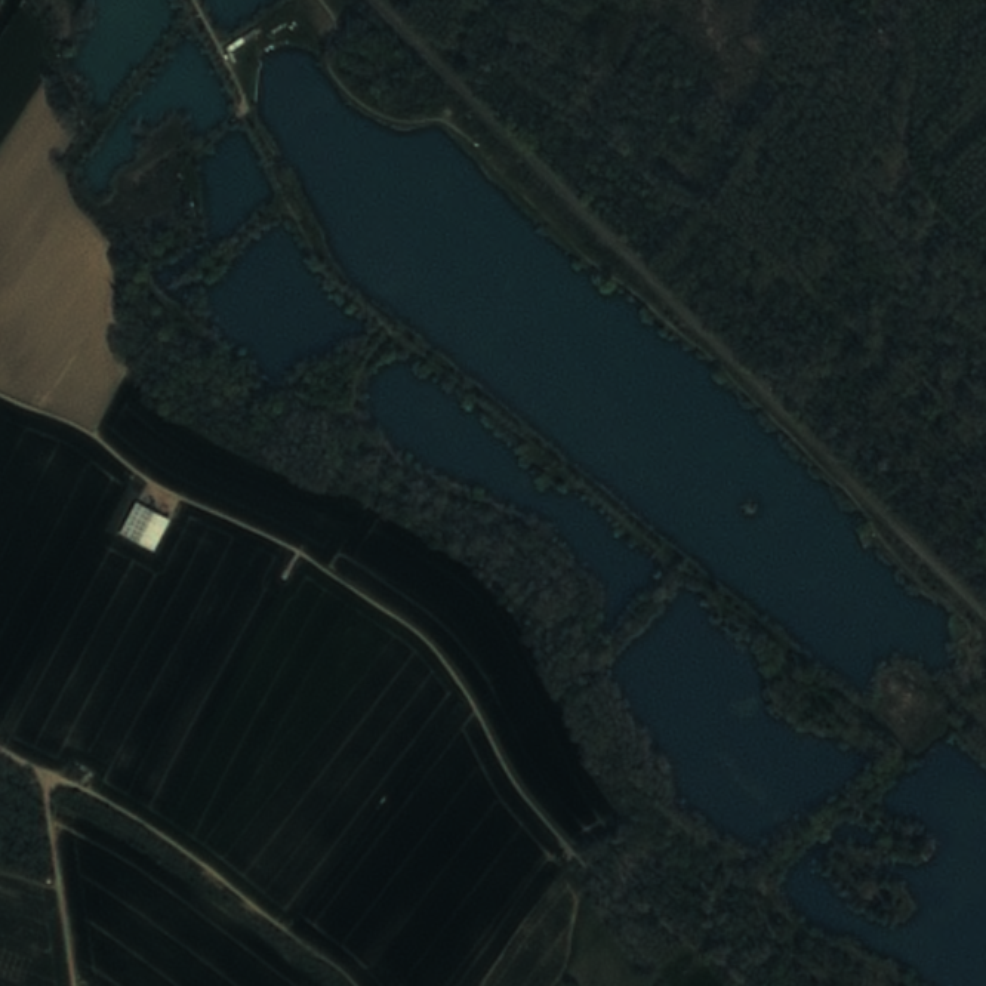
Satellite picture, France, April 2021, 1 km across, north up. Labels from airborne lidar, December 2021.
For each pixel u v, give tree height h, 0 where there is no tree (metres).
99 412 0
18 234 0
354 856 0
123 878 0
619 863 27
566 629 25
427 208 0
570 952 0
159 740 0
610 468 0
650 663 0
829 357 29
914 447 8
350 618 0
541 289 0
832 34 38
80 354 0
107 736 0
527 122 22
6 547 0
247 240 6
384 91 16
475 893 0
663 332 17
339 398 22
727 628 12
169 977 0
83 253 0
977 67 36
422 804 0
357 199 0
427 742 0
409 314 0
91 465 0
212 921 0
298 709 0
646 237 21
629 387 0
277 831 0
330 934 0
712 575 0
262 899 0
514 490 0
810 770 0
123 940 0
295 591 0
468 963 0
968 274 34
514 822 0
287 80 0
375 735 0
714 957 23
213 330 17
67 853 0
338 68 7
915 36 17
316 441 24
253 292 0
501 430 15
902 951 0
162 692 0
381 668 0
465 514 13
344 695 0
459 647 0
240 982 0
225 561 0
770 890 17
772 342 29
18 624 0
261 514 0
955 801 0
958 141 20
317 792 0
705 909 27
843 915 0
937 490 25
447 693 0
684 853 16
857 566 0
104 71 0
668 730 0
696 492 0
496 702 0
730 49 0
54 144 0
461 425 0
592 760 23
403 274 0
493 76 20
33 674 0
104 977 0
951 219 25
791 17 36
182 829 0
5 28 0
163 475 0
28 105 0
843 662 0
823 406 6
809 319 16
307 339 0
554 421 0
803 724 18
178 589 0
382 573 0
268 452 25
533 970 0
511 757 0
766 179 27
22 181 0
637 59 20
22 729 0
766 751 0
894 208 29
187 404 23
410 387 0
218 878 0
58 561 0
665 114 18
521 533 19
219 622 0
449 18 36
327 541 0
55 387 0
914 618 0
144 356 22
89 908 0
